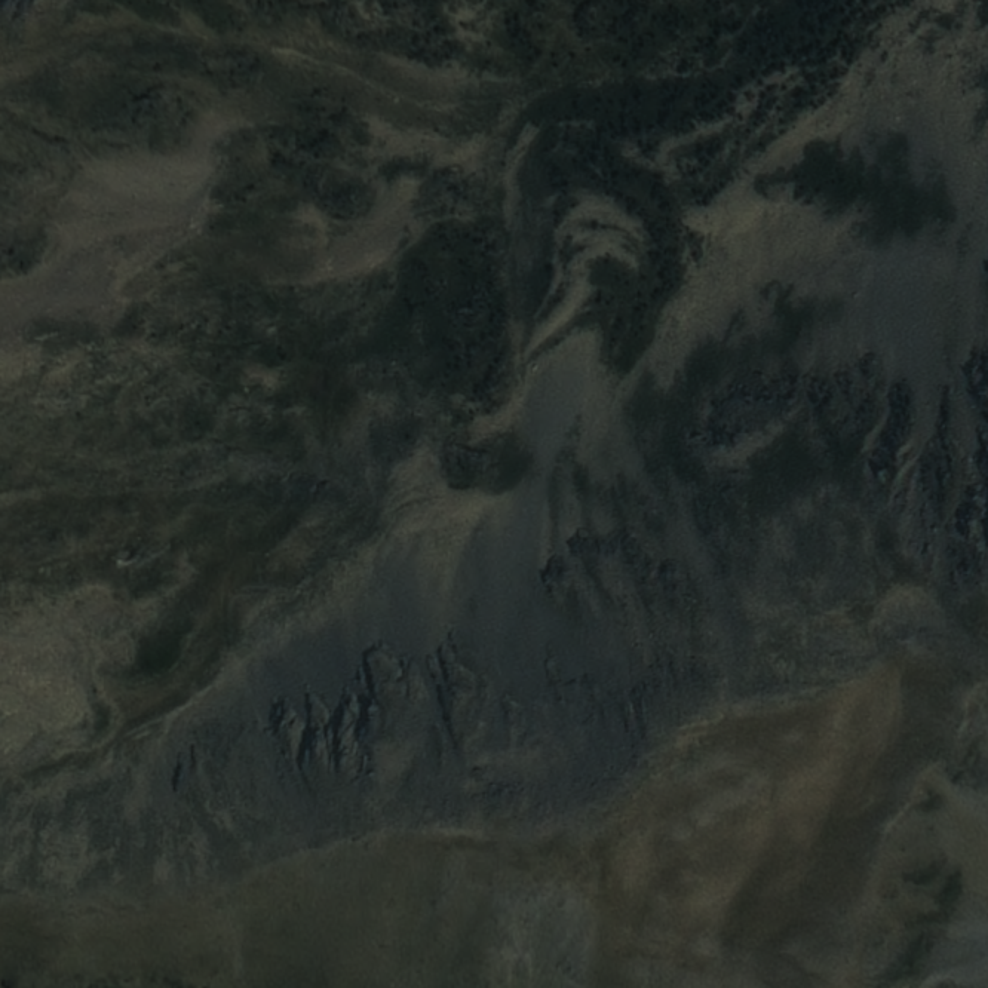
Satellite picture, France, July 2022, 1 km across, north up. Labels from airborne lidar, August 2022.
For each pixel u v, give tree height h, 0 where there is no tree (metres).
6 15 0
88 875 0
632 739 0
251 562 0
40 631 0
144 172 0
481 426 0
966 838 0
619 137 7
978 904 0
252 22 0
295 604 0
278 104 0
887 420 0
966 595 0
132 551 0
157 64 7
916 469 0
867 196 0
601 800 0
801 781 0
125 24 0
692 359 0
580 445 0
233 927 0
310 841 0
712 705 0
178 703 0
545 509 0
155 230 0
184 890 0
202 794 0
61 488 0
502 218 0
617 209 0
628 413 0
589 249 0
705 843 0
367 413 0
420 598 0
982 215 0
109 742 0
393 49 0
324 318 0
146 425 0
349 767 0
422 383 0
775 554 0
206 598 0
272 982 0
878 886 0
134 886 0
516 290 0
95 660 0
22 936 0
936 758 0
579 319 0
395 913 0
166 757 0
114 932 0
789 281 0
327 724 0
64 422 0
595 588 0
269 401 0
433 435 0
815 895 0
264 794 0
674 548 0
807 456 0
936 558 0
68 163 0
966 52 0
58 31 0
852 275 0
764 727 0
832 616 0
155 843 0
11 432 0
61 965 0
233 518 0
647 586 0
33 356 0
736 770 0
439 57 11
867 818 0
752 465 0
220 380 0
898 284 0
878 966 0
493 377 6
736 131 0
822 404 6
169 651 0
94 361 0
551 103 0
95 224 0
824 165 0
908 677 0
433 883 0
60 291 0
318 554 0
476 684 0
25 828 0
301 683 0
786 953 0
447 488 0
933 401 0
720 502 0
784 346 0
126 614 0
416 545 0
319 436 0
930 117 0
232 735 0
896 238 0
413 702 0
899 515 0
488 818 0
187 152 0
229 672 0
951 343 0
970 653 0
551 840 0
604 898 0
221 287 0
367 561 0
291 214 0
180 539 0
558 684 0
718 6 6
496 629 0
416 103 0
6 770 0
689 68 7
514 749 0
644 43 6
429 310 0
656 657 0
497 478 0
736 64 0
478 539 0
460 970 0
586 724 0
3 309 0
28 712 0
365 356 0
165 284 0
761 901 0
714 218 0
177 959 0
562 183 8
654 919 0
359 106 0
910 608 0
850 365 0
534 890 0
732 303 0
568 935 0
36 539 0
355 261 0
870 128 0
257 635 0
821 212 0
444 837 0
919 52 0
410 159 0
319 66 0
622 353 0
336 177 0
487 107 0
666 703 0
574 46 0
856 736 0
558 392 0
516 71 0
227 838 0
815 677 0
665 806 0
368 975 0
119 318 0
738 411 0
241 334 0
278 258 0
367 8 0
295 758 0
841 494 0
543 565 0
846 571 0
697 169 7
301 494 0
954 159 0
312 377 0
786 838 0
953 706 0
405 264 0
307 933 0
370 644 0
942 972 0
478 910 0
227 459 0
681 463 0
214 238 0
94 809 0
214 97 0
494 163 0
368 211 0
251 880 0
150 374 0
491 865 0
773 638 0
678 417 0
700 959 0
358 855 0
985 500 0
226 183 0
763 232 0
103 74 0
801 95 12
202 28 0
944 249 0
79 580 0
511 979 0
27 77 0
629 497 0
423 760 0
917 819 0
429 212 0
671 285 6
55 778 0
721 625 0
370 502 0
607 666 0
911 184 0
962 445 0
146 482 0
